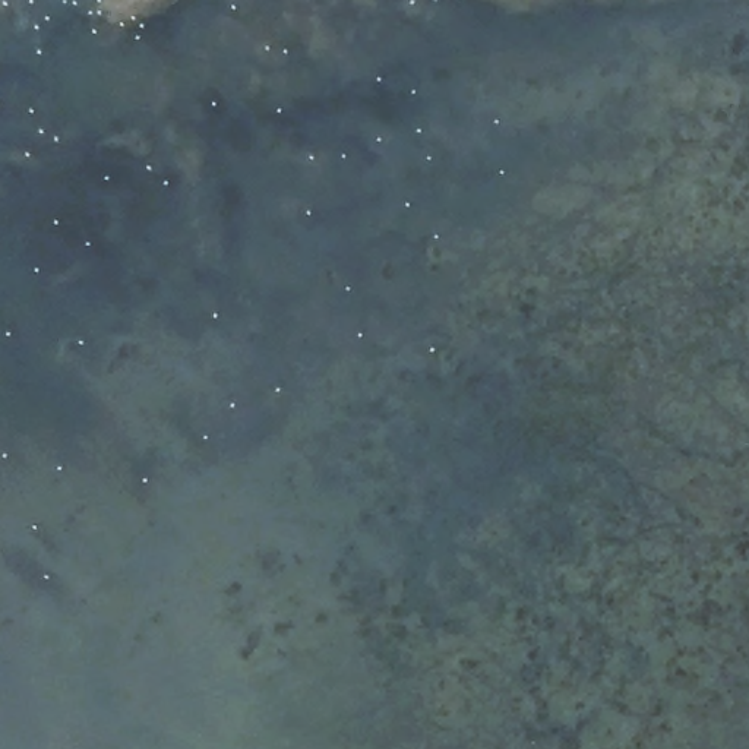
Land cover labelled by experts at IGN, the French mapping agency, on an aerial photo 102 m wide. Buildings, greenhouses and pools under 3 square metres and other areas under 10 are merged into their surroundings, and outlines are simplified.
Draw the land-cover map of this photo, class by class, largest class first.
<instances>
[{"label":"water","instance_id":"1","mask_svg":"<svg viewBox=\"0 0 749 749\"><path fill-rule=\"evenodd\" d=\"M0 749H749V0H0Z\"/></svg>","mask_w":749,"mask_h":749}]
</instances>
